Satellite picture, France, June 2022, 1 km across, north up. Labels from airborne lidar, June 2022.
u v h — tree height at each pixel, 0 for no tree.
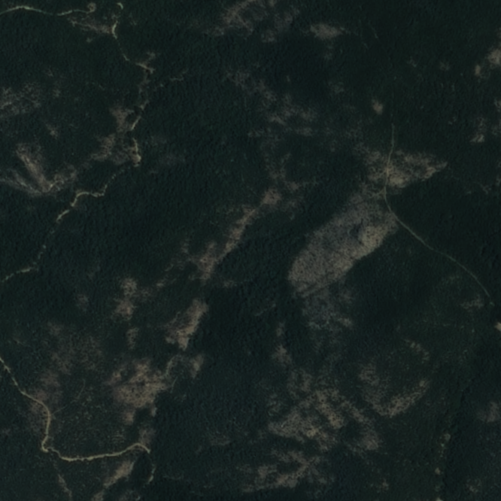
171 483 10
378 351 6
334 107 6
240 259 9
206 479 7
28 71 8
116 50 8
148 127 9
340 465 9
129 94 6
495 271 17
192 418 8
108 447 8
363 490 8
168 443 11
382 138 9
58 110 6
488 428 7
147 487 8
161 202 10
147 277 11
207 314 12
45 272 14
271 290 16
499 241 19
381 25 11
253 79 7
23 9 6
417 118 8
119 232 9
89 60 8
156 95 10
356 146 7
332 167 8
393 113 6
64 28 7
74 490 9
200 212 8
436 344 10
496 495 9
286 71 8
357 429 6
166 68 7
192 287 12
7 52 6
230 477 11
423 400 7
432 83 12
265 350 6
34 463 7
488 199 8
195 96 10
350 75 10
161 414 9
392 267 6
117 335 7
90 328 6
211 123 7
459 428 9
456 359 13
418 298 6
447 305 10
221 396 8
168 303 10
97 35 9
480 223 8
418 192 12
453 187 6
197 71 13
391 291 6
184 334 0
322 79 7
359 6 8
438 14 11
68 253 8
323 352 7
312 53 8
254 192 7
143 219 7
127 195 7
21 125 9
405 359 6
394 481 9
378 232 0
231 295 6
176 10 6
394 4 10
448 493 10
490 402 7
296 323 6
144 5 6
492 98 7
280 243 13
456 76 8
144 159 10
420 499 10
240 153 8
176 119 7
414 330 9
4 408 8
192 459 9
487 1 8
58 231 9
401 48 9
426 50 11
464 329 9
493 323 13
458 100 11
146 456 12
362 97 8
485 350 7
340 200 7
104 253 10
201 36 9
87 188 7
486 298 8
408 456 7
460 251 7
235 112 8
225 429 11
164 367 5
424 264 7
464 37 7
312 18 9
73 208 7
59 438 9
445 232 16
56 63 6
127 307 0
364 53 9
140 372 0
